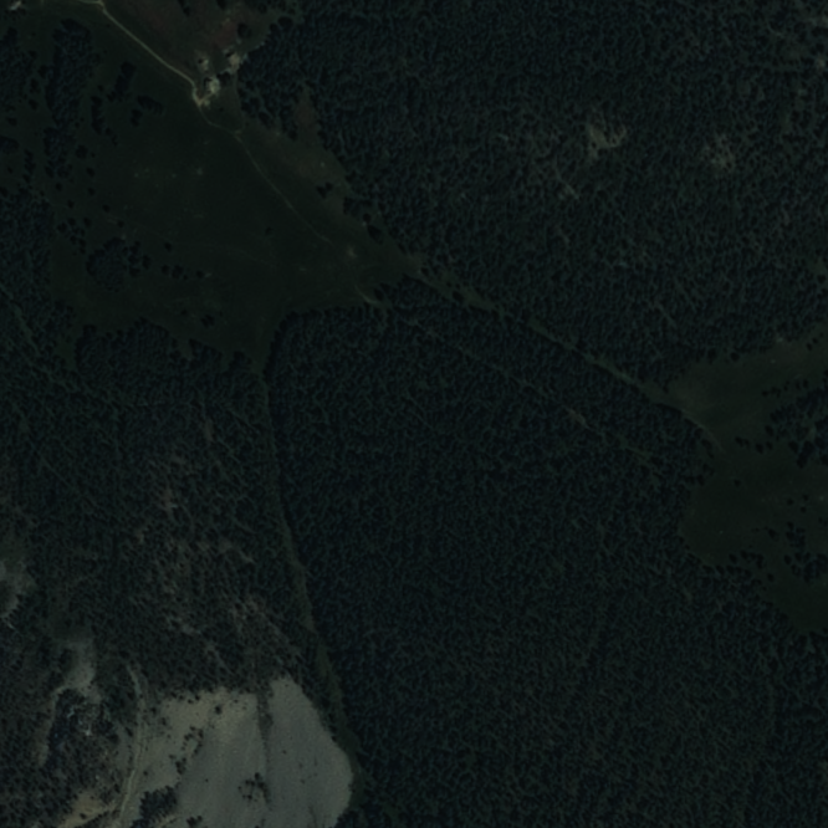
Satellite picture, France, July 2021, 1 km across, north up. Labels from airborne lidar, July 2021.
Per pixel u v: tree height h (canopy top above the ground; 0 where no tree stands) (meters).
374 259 0
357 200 6
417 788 25
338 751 0
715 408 0
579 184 13
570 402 25
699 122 13
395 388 26
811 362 0
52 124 0
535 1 18
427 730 16
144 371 19
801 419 20
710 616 25
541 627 26
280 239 0
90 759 7
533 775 18
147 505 14
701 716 20
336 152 16
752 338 21
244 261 0
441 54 15
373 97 19
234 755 0
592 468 20
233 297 0
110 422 23
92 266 16
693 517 0
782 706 21
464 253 21
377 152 19
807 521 0
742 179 10
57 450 27
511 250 22
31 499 9
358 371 28
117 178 0
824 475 0
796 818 22
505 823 17
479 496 27
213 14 0
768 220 13
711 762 18
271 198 0
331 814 0
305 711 0
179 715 0
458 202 8
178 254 0
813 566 14
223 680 9
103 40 0
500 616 21
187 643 10
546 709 9
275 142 0
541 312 25
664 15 6
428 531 11
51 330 29
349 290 0
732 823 18
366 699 27
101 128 23
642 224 14
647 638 22
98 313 0
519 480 21
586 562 24
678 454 22
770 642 22
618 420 17
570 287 21
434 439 29
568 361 26
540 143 10
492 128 13
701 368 0
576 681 15
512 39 14
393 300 22
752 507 0
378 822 18
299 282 0
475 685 18
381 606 18
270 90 17
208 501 11
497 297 28
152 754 0
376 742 29
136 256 14
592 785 20
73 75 22
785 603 0
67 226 11
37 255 23
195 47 0
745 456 0
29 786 17
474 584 21
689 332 23
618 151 14
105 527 21
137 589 13
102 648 10
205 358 19
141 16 0
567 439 26
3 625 11
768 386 0
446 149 12
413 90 17
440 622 25
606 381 25
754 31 10
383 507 27
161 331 18
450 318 22
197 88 0
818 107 8
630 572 24
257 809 0
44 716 14
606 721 20
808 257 11
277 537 28
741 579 9
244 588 13
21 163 0
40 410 33
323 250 0
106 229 0
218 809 0
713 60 16
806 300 17
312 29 20
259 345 0
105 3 0
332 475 25
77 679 0
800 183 12
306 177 0
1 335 28
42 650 7
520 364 17
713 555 0
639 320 20
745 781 24
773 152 14
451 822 19
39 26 0
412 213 12
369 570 22
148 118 0
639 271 15
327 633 20
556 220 14
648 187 15
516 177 16
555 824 26
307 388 12
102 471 22
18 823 8
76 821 0
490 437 26
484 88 15
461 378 27
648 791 8
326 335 23
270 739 0
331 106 17
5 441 12
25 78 17
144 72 0
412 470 11
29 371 28
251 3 18
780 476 0
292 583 24
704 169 10
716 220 16
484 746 22
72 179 15
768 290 19
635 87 17
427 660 16
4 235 20
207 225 0
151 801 7
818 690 23
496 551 24
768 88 18
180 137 0
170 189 0
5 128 0
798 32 9
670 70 13
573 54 17
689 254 17
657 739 20
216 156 0
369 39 13
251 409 23
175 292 0
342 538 25
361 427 27
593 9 12
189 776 0
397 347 21
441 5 16
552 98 12
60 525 19
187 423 18
